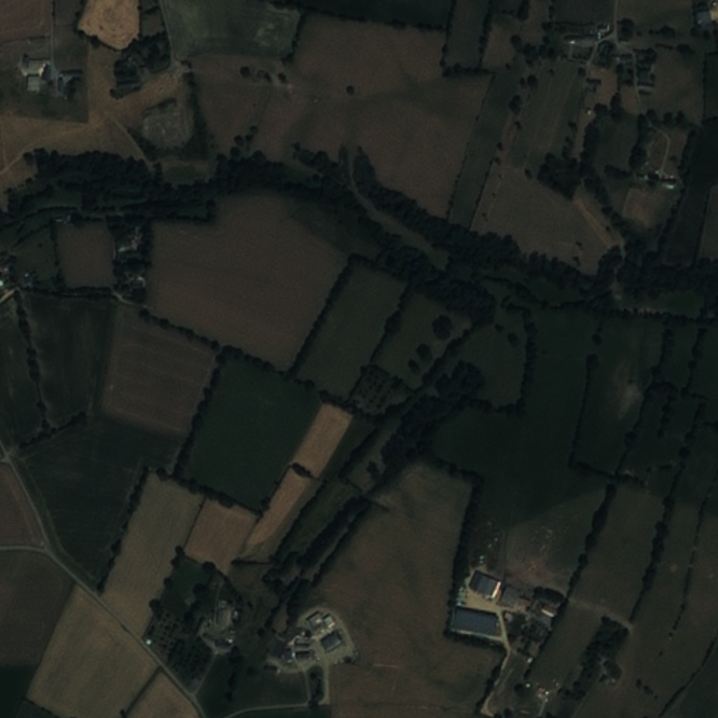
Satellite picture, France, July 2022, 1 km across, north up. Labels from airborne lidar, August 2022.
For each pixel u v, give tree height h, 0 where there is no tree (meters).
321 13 6
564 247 0
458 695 0
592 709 0
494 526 0
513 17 12
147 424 0
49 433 11
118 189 10
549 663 0
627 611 0
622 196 0
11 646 0
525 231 0
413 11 0
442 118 0
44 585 0
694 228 0
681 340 0
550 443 0
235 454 0
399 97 0
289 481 0
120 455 0
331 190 14
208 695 0
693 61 0
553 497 0
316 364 0
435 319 0
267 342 0
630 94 0
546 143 0
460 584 9
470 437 0
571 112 0
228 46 0
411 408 8
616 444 0
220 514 0
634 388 0
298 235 0
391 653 0
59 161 14
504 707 0
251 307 0
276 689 0
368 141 0
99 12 0
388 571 0
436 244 17
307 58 0
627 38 11
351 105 0
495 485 0
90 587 0
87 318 0
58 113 0
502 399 0
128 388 0
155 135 0
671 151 0
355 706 0
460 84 0
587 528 0
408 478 0
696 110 0
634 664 0
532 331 18
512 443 0
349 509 15
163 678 0
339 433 0
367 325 0
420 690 0
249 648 0
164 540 0
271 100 0
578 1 0
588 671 6
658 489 0
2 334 0
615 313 16
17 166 0
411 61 0
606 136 0
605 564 0
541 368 0
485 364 0
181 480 13
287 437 0
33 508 0
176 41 0
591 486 0
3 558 0
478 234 12
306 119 0
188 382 0
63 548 0
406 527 0
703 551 0
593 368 14
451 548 0
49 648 0
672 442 0
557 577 0
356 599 0
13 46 0
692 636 0
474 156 0
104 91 0
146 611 0
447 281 19
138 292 11
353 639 0
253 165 23
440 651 0
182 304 0
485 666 0
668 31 13
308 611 0
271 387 0
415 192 0
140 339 0
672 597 0
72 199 0
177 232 0
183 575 0
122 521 0
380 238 9
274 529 0
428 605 0
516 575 0
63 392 0
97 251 0
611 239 0
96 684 0
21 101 0
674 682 0
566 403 0
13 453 0
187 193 18
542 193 0
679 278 21
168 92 0
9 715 0
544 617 0
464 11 0
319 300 0
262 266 0
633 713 0
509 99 0
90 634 0
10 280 6
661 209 0
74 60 0
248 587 0
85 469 0
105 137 0
